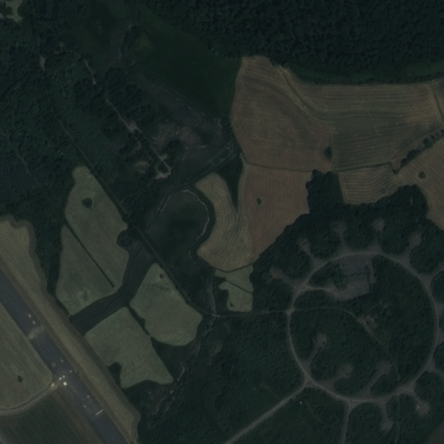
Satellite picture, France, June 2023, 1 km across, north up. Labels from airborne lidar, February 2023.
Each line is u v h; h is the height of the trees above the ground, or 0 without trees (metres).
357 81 0
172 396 0
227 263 0
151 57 0
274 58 11
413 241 0
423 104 0
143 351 0
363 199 0
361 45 31
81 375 0
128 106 12
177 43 0
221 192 0
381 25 34
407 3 31
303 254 6
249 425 0
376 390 11
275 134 0
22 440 0
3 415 0
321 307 15
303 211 0
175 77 0
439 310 0
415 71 0
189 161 0
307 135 0
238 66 0
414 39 31
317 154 0
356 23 33
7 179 19
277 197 0
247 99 0
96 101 17
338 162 0
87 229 0
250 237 0
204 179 0
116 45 0
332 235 6
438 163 0
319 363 7
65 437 0
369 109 0
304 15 34
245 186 0
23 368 0
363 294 0
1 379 0
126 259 0
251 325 8
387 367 0
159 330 0
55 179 6
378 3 19
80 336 0
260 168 0
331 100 0
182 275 0
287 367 11
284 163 0
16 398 0
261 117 0
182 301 0
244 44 24
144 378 0
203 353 6
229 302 0
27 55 14
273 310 12
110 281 0
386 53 27
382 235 7
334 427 7
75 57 12
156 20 0
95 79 12
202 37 18
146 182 7
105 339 0
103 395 0
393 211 10
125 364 0
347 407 0
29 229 0
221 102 0
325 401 0
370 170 0
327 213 15
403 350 7
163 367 0
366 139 0
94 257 0
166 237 0
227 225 0
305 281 0
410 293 6
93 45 0
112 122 6
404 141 0
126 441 0
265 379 0
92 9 0
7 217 0
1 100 6
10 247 0
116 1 0
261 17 36
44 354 0
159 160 7
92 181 0
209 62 0
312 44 34
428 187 0
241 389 6
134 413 0
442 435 0
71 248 0
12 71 9
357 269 0
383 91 0
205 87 0
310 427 0
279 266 6
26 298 0
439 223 0
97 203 0
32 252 0
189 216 0
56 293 0
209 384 7
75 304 0
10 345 0
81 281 0
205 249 0
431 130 0
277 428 0
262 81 0
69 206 0
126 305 0
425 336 7
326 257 9
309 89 0
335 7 35
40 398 0
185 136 0
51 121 9
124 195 5
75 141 8
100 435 0
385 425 0
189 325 0
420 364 6
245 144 0
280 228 0
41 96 15
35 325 0
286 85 0
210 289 0
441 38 33
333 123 0
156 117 5
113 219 0
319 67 18
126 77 13
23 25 0
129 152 9
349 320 12
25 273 0
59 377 0
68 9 34
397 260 0
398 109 0
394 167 0
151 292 0
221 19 35
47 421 0
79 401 0
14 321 0
